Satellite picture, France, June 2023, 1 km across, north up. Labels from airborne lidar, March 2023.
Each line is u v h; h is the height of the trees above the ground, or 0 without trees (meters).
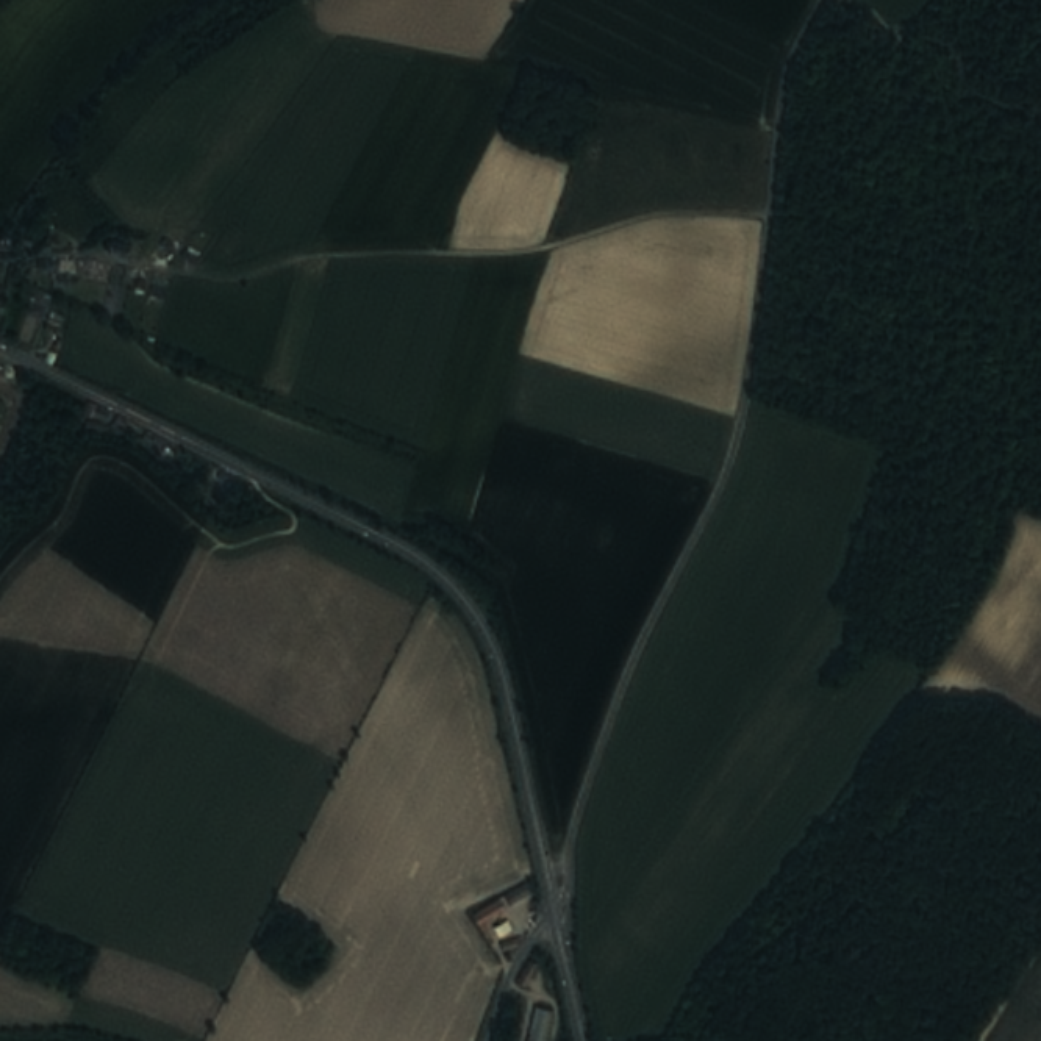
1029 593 0
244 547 0
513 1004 15
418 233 0
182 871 0
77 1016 0
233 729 0
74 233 0
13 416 0
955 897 27
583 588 0
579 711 0
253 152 0
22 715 0
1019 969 18
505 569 0
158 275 0
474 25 0
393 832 0
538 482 0
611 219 0
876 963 24
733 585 0
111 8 0
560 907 0
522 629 0
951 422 18
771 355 15
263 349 0
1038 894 25
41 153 0
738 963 18
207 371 13
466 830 0
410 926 0
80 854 0
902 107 16
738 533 0
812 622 0
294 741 0
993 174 16
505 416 0
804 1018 23
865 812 19
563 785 0
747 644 0
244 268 0
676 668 0
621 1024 0
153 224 0
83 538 0
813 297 10
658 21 0
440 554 11
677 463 0
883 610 18
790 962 21
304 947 13
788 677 0
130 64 20
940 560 18
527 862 0
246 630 0
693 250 0
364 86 0
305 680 0
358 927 0
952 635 18
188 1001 0
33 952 14
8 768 0
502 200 0
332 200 0
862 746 0
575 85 21
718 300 0
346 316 0
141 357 0
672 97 0
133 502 0
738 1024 21
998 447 22
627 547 0
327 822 0
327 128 0
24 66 0
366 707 0
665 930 0
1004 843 23
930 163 15
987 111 12
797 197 17
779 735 0
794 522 0
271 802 0
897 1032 25
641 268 0
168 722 0
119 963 0
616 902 0
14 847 0
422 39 0
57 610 0
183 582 0
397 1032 0
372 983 0
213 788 0
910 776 22
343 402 0
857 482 0
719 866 0
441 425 0
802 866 15
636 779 0
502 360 0
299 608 0
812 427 0
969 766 23
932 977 22
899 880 24
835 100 15
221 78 0
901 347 17
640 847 0
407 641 0
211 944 0
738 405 0
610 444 0
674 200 0
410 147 0
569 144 20
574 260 0
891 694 0
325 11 0
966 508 16
